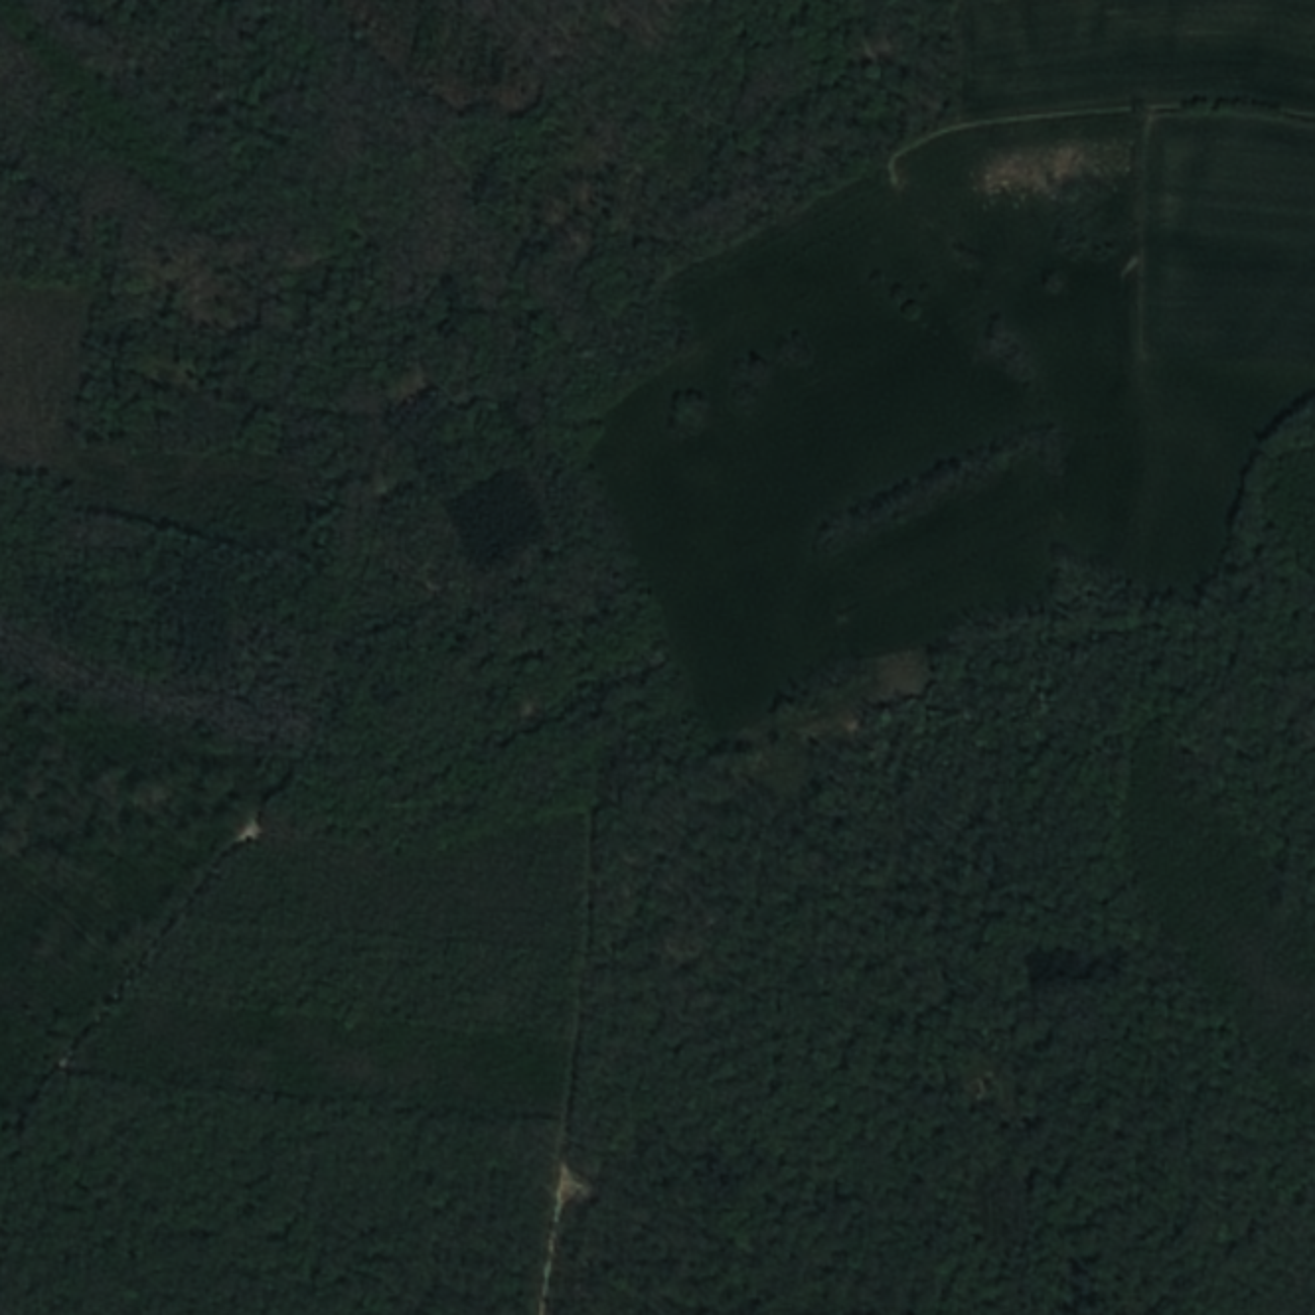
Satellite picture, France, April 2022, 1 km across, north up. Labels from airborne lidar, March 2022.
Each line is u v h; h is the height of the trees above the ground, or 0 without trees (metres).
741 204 25
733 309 0
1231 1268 22
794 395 0
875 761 23
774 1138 23
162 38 16
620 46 27
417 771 22
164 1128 25
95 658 21
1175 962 20
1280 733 25
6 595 20
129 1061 11
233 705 20
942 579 0
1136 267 0
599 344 19
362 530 27
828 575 0
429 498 17
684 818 24
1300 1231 23
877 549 0
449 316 16
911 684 0
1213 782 24
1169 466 0
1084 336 0
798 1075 24
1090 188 16
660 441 0
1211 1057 23
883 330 0
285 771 17
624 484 0
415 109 26
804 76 28
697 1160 22
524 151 19
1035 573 0
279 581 22
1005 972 26
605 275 22
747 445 0
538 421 25
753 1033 22
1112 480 0
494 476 16
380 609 19
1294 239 0
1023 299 0
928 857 24
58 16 26
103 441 15
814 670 0
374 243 17
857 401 0
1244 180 0
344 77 28
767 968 23
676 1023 24
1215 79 0
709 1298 19
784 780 0
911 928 24
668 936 21
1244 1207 23
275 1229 24
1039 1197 22
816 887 23
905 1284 27
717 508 0
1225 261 0
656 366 18
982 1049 24
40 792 22
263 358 20
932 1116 24
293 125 26
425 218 25
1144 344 0
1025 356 16
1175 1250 21
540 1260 20
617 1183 20
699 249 21
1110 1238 22
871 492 0
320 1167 24
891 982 27
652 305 17
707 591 0
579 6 28
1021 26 0
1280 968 10
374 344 21
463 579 20
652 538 0
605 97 25
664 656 20
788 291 0
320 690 22
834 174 21
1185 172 0
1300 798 22
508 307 25
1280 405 0
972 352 0
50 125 24
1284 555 23
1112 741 25
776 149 26
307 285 7
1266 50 0
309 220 25
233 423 22
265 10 29
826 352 0
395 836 26
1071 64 0
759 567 0
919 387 0
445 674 21
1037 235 0
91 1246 24
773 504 0
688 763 8
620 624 27
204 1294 25
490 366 24
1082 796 23
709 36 26
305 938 20
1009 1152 12
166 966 19
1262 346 0
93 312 6
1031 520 0
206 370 21
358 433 25
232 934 20
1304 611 24
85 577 21
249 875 16
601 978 18
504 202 26
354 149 27
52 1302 26
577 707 14
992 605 0
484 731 16
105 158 25
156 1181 22
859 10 22
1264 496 13
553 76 22
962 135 0
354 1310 26
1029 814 18
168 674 17
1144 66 0
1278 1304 24
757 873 24
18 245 23
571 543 22
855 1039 21
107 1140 25
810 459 0
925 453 0
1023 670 17
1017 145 0
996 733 13
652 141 28
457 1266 23
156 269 24
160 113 25
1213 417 0
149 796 24
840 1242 22
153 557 25
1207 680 23
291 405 22
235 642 24
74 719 22
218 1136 23
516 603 20
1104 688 24
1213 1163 24
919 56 29
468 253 27
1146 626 17
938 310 0
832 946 19
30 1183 22
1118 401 0
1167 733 22
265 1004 18
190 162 22
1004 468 19
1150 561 0
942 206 0
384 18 10
